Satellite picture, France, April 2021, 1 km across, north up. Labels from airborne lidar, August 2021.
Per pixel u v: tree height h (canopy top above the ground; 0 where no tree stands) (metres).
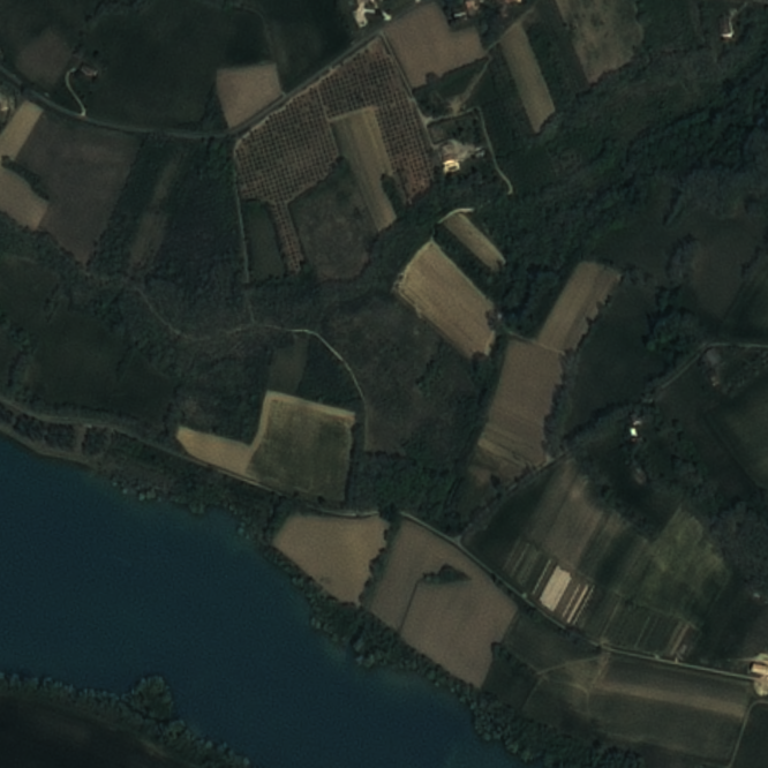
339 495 0
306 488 0
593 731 0
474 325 0
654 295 0
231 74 0
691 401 0
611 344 0
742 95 21
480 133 9
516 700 0
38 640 0
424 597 0
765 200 6
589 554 0
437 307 0
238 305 13
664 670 0
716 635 0
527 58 0
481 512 13
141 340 17
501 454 0
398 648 14
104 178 0
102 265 8
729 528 16
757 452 0
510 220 12
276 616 0
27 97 12
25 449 0
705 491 12
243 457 0
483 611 0
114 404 0
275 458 0
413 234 14
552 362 0
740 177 17
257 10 0
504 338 6
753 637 0
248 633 0
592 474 22
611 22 0
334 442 0
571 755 10
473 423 8
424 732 0
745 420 0
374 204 0
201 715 0
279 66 0
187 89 0
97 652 0
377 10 7
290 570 12
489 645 0
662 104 9
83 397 0
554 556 0
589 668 0
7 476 0
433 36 0
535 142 14
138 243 0
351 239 0
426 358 0
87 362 0
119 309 19
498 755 0
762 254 13
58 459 0
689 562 0
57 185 0
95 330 0
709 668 0
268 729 0
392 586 0
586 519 0
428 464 9
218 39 0
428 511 9
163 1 0
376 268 15
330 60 0
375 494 24
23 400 10
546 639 0
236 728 0
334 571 0
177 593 0
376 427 0
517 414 0
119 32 0
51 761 0
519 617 0
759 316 0
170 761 0
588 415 0
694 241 12
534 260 21
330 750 0
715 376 0
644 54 8
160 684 14
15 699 0
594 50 0
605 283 0
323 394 7
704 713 0
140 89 0
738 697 0
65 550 0
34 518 0
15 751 0
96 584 0
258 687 0
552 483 0
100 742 0
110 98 0
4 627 0
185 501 8
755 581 13
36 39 0
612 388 0
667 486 15
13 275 0
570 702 0
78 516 0
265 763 0
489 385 14
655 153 24
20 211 0
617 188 15
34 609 0
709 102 7
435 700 0
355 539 0
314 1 0
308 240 0
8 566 0
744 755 0
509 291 8
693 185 18
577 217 23
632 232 0
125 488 6
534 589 0
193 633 0
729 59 16
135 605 0
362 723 0
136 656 0
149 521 0
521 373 0
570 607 0
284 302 10
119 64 0
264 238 0
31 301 0
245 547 0
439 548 0
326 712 0
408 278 0
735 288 0
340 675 0
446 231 10
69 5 0
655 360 0
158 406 0
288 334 7
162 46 0
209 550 0
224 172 9
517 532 0
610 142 14
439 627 0
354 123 0
